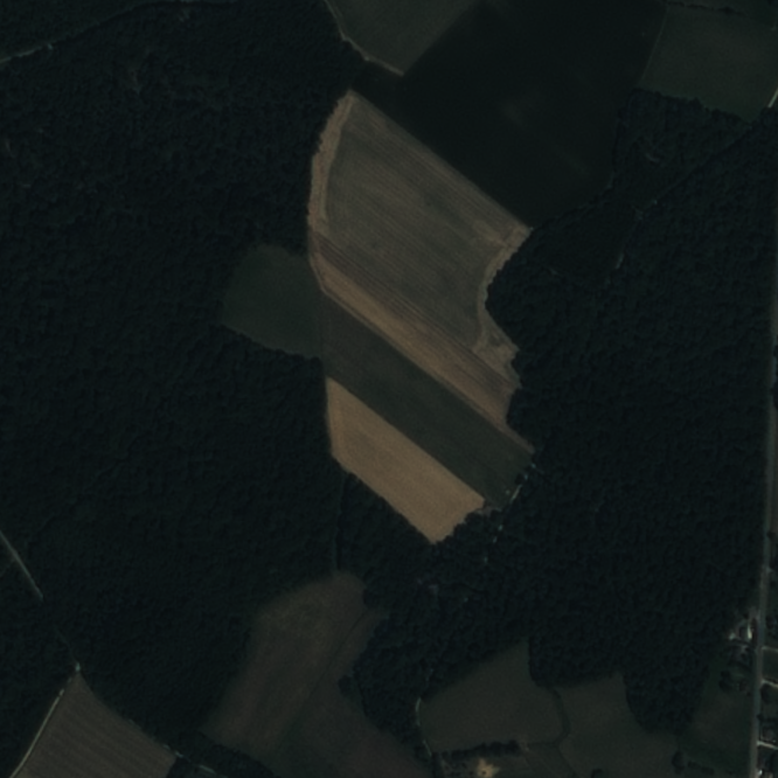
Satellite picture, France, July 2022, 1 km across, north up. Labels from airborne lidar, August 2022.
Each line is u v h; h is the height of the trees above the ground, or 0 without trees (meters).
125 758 0
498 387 0
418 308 0
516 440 0
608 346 14
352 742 0
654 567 25
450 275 0
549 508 27
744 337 27
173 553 15
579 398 29
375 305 0
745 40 0
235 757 15
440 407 0
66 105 17
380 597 21
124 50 21
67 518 13
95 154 20
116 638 23
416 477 0
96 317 19
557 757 0
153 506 20
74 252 20
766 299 19
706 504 26
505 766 0
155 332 20
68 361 24
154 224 24
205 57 19
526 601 27
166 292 21
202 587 22
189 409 24
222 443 19
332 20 15
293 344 0
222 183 20
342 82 17
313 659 0
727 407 27
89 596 24
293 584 16
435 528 0
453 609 18
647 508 27
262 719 0
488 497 0
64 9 17
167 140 16
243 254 12
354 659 0
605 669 19
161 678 18
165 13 23
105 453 21
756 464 23
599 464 28
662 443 24
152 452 16
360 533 25
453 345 0
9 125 24
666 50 0
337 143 0
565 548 23
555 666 25
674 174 11
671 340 19
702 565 27
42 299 19
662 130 21
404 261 0
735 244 17
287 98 15
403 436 0
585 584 25
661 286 20
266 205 26
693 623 25
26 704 15
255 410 17
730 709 0
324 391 18
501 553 27
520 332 22
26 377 23
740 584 25
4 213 21
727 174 25
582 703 0
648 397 29
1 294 16
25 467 19
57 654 16
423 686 21
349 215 0
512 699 0
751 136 19
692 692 23
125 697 17
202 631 20
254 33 17
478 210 0
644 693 23
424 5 0
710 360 24
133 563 13
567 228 12
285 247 15
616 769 0
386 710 16
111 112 14
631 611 26
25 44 14
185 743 14
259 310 0
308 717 0
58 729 0
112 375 21
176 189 26
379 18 0
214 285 17
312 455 25
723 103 0
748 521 22
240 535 18
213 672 23
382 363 0
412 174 0
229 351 25
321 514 23
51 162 25
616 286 17
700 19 0
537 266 13
